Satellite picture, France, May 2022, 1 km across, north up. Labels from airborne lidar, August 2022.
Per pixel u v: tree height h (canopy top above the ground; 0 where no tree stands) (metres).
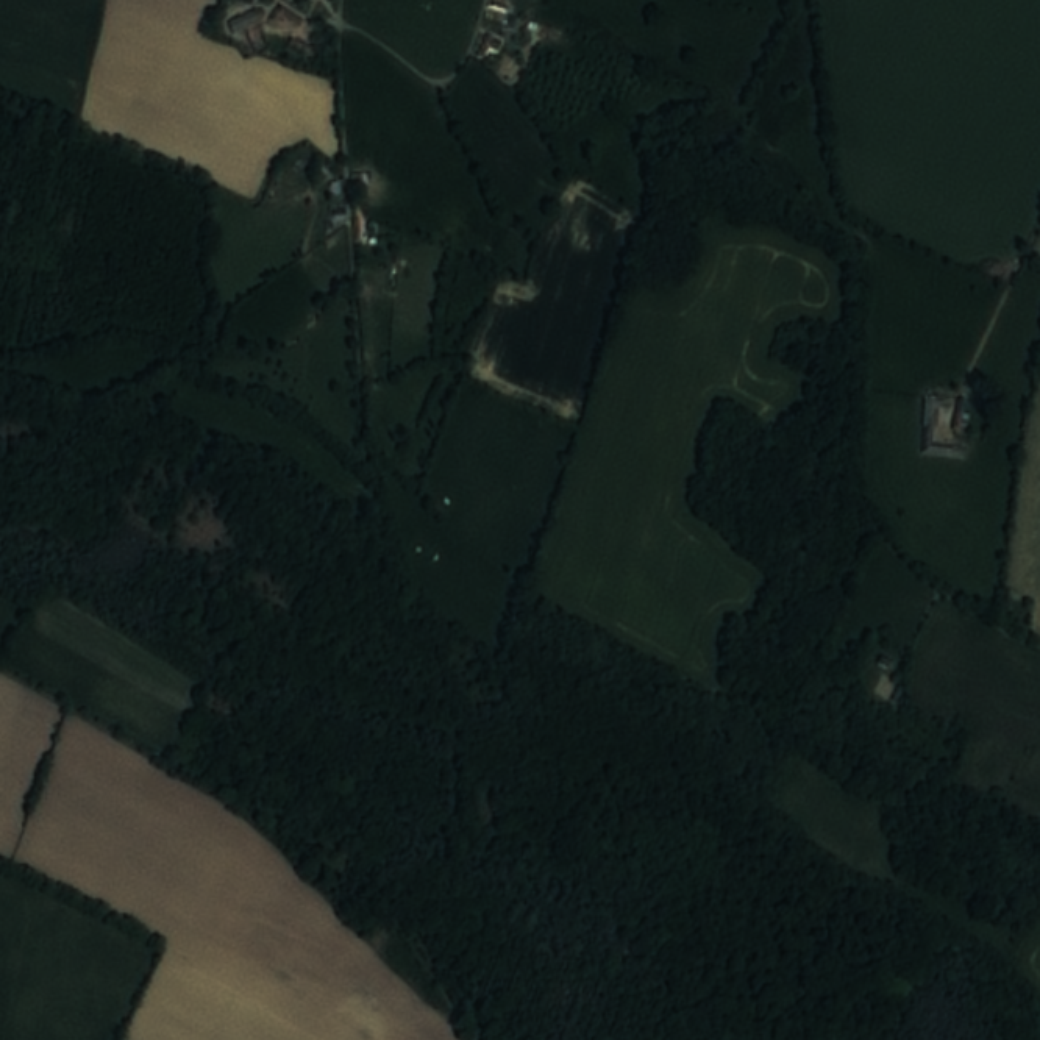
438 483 0
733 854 21
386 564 18
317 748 19
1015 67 0
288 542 19
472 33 0
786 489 24
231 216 0
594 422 0
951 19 0
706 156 21
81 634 0
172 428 18
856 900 22
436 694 10
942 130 0
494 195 15
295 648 13
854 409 24
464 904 25
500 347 0
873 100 0
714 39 0
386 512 12
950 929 17
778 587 18
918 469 0
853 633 0
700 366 0
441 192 0
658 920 16
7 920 0
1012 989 16
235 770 20
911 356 0
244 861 0
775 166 0
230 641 16
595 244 0
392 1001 0
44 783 8
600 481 0
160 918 0
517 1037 15
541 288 0
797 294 0
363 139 0
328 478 0
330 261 0
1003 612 17
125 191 8
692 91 8
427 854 22
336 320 0
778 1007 23
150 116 0
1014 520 7
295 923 0
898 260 0
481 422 0
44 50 0
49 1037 0
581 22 0
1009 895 20
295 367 0
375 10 0
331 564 17
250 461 23
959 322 0
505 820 20
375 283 0
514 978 14
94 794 0
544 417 12
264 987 0
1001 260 0
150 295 8
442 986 7
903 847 15
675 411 0
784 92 14
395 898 18
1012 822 22
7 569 7
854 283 19
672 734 17
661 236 22
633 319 0
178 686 0
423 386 0
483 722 17
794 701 12
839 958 23
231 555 11
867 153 0
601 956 15
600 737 13
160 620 9
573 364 0
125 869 0
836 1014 24
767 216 22
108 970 0
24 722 0
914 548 0
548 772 14
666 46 0
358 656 16
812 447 21
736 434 23
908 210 0
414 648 10
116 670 0
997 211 0
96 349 11
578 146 0
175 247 9
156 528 12
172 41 0
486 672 15
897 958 24
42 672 0
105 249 9
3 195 6
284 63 16
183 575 11
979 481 0
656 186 23
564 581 0
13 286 7
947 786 14
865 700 13
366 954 0
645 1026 8
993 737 0
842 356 26
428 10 0
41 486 14
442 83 0
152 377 18
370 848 20
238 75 0
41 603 12
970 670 0
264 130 0
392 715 6
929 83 0
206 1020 0
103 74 0
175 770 9
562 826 26
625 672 21
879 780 19
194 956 0
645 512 0
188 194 11
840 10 0
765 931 19
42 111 17
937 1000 19
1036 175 0
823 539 18
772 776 17
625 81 6
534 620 23
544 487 0
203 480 18
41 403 21
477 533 0
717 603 0
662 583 0
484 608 0
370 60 0
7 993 0
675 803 16
